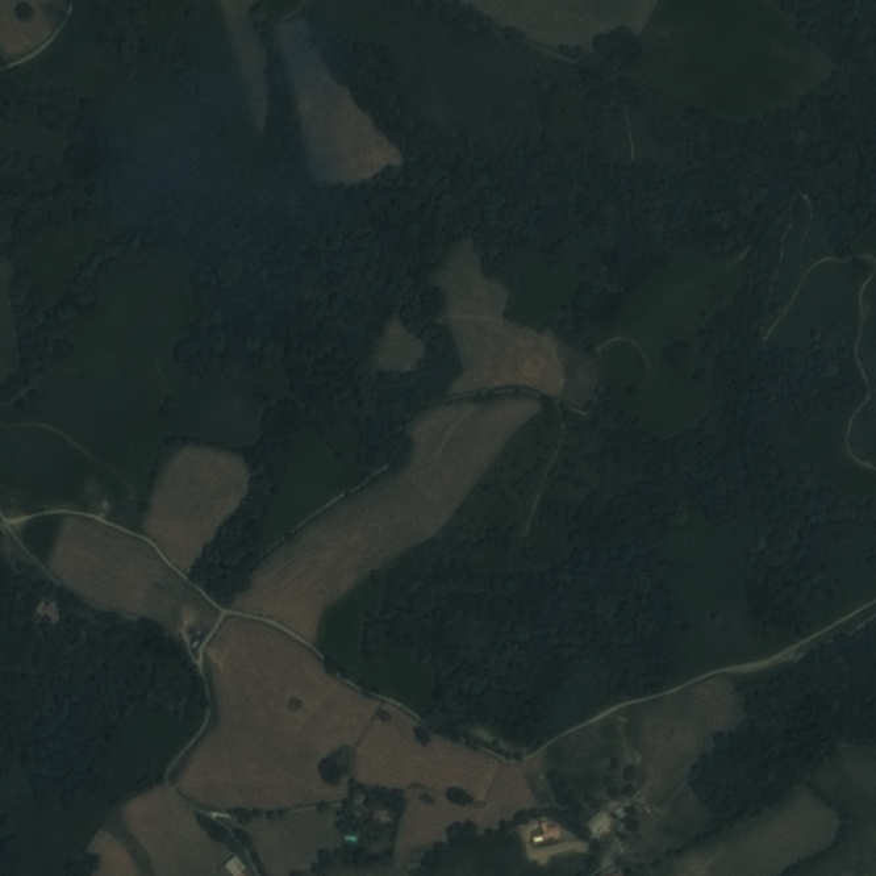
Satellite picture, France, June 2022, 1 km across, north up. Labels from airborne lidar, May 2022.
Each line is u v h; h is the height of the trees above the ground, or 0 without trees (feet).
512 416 0
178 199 62
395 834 26
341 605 0
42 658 57
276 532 0
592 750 0
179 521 0
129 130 0
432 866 53
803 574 46
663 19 0
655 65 0
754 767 55
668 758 0
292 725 0
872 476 0
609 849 0
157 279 0
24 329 23
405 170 30
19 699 70
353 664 0
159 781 32
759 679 0
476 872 0
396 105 60
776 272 46
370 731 0
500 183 73
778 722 80
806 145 19
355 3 0
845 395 36
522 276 0
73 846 0
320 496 0
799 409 24
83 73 0
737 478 70
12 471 0
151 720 0
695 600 0
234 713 0
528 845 0
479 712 26
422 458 0
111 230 28
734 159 32
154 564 0
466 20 37
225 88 0
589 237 20
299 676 0
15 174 68
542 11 0
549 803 0
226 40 0
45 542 0
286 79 20
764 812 37
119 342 0
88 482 0
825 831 0
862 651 55
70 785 54
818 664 52
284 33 0
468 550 37
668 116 24
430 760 0
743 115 0
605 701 0
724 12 0
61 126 25
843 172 91
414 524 0
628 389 29
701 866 0
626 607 73
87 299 52
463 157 49
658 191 69
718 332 41
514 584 72
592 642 41
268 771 0
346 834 23
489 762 0
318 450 0
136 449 0
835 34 47
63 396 0
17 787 0
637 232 54
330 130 0
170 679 41
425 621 52
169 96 0
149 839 0
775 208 59
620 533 42
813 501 29
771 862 0
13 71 21
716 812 52
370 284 27
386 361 0
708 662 0
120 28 32
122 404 0
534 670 67
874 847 0
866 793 0
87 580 0
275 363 19
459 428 0
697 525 0
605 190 50
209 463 0
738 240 37
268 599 0
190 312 0
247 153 0
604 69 56
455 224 54
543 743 17
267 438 33
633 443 46
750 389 42
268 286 47
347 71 42
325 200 49
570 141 23
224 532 52
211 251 34
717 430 60
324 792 0
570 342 25
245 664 0
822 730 62
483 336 0
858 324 0
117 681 54
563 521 34
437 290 26
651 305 0
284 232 57
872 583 0
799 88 0
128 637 57
